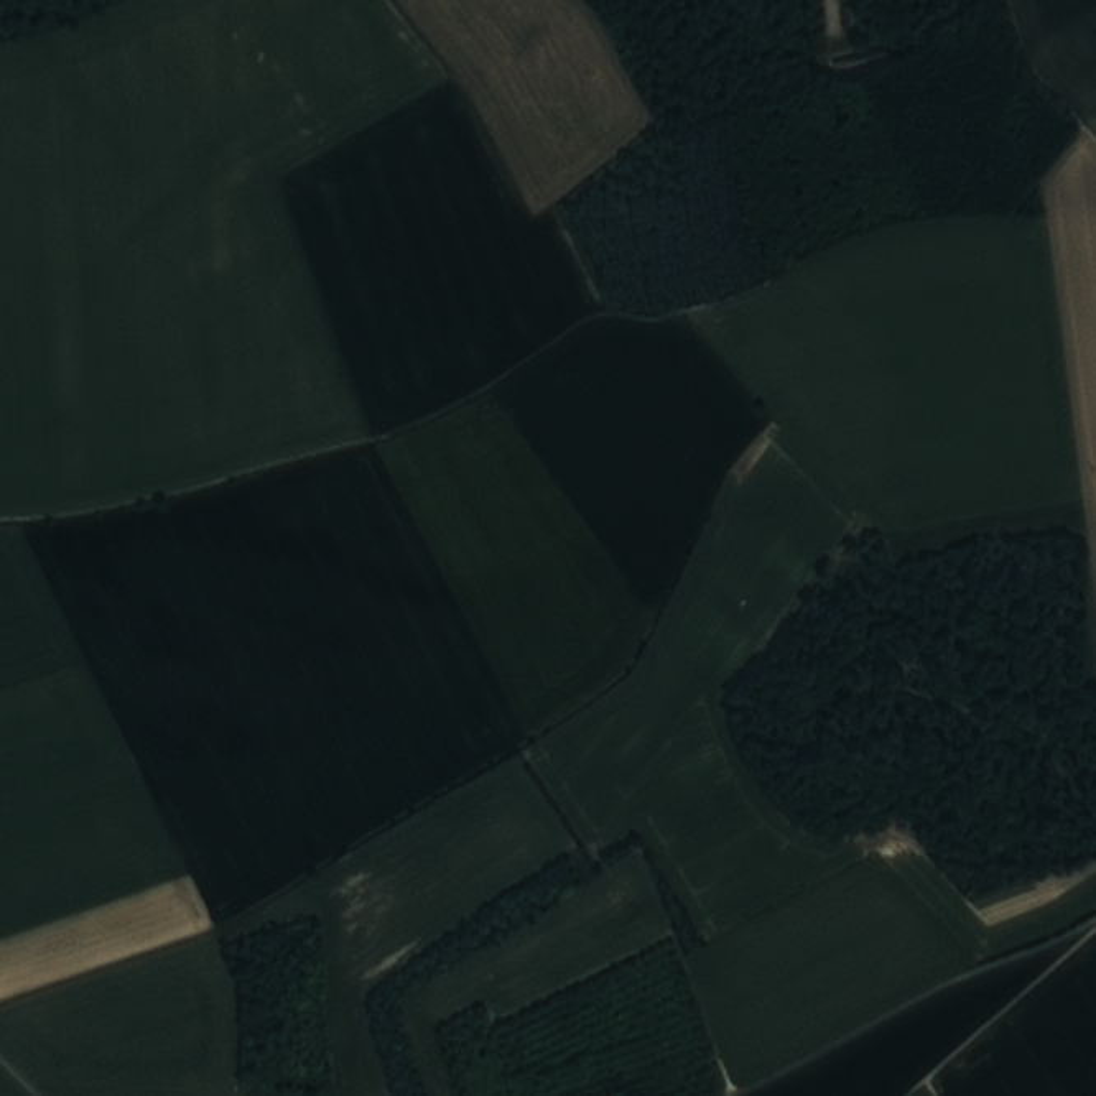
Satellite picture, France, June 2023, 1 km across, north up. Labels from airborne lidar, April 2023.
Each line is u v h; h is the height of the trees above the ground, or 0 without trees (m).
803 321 0
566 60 0
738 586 0
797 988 0
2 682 0
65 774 0
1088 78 0
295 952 16
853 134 21
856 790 15
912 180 18
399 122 0
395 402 0
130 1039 0
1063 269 0
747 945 0
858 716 19
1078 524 0
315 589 0
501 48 0
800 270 0
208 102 0
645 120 0
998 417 0
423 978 10
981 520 0
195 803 0
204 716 0
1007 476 0
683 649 0
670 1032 7
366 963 0
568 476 0
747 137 18
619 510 0
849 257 0
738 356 0
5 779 0
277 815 0
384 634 0
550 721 0
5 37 9
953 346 0
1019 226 0
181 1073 0
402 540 0
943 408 0
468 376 0
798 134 20
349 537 0
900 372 0
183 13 0
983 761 25
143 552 0
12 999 0
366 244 0
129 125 0
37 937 0
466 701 0
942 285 0
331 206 0
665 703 0
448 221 0
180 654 0
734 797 0
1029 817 23
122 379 0
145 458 0
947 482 0
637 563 0
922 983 0
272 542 0
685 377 0
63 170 0
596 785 0
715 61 21
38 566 0
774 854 0
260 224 0
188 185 0
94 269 0
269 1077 6
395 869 0
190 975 0
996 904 0
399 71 0
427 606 0
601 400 0
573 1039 7
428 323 0
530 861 0
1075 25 0
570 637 0
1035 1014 0
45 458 0
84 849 0
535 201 0
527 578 0
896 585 23
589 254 13
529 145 0
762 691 21
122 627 0
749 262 15
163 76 0
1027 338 0
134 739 0
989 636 21
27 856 0
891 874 0
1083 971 0
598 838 0
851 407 0
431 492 0
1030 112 17
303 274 0
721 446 0
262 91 0
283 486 0
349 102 0
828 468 0
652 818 0
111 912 0
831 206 18
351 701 0
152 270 0
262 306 0
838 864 0
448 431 0
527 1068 11
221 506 0
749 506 0
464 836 0
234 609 0
